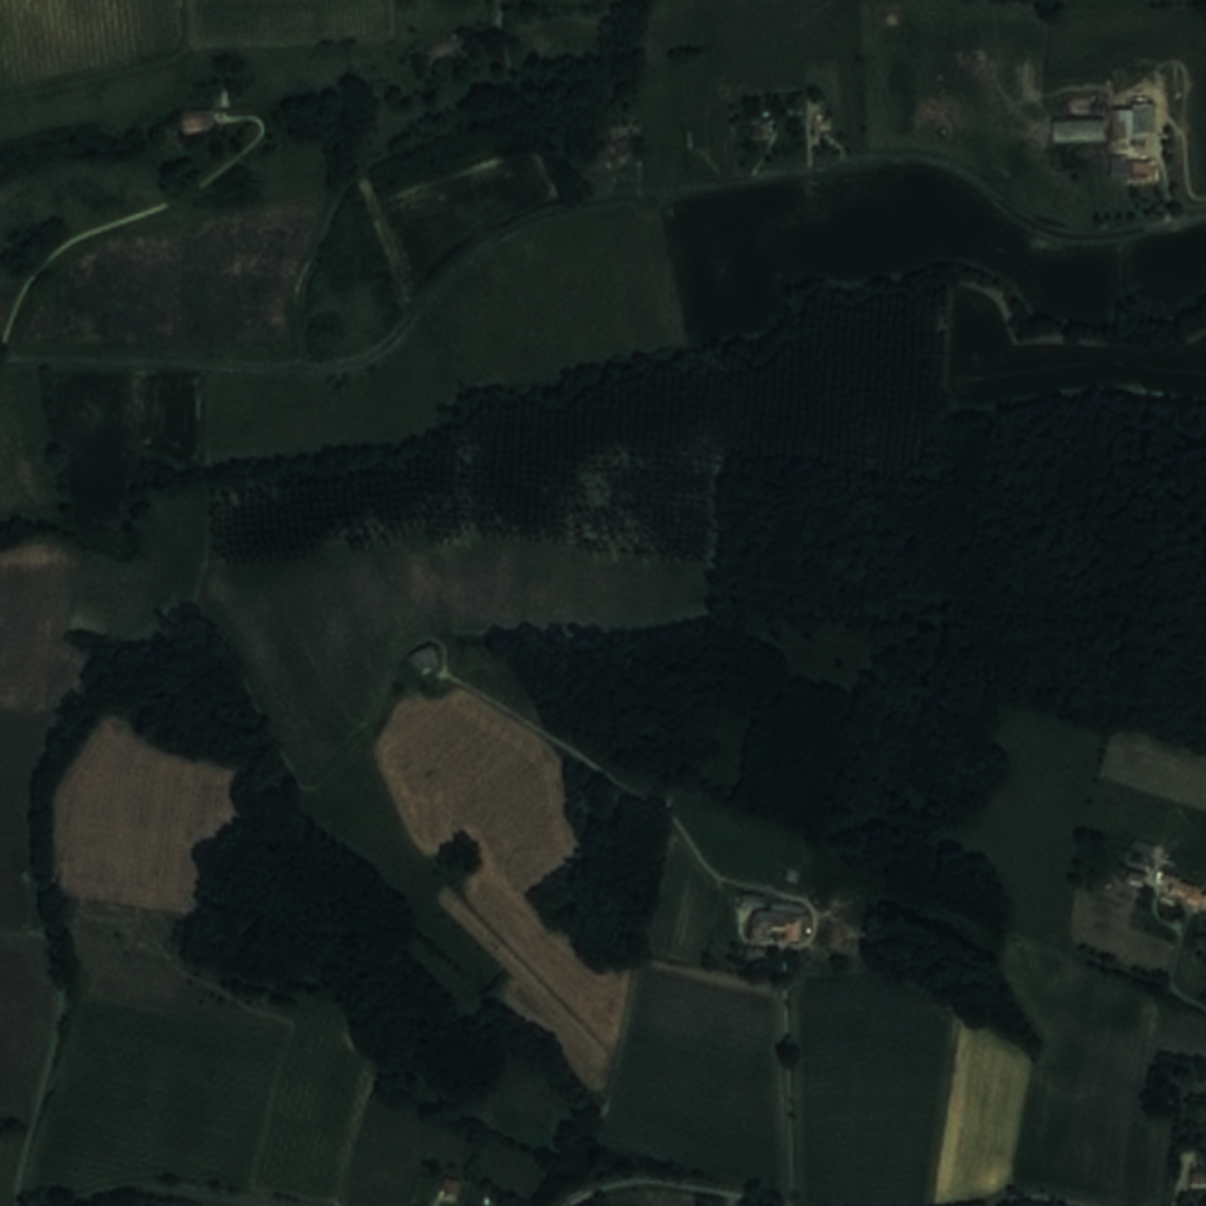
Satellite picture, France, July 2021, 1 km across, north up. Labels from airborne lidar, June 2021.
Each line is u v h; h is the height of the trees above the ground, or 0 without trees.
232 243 0
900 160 0
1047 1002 0
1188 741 17
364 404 0
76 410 0
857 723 24
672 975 0
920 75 0
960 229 0
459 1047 22
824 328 17
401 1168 0
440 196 0
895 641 8
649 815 23
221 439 0
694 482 13
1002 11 0
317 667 0
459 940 0
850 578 14
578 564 0
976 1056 0
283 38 0
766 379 20
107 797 0
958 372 0
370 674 0
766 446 19
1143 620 21
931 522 23
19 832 0
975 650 26
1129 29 0
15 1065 0
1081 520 22
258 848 20
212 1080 0
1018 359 0
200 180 25
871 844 20
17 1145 0
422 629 0
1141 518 27
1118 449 25
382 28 0
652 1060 0
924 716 20
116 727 0
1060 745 0
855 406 16
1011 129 0
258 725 12
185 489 13
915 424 21
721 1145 0
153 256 0
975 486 23
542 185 0
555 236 0
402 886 0
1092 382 0
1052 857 0
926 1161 0
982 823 0
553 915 7
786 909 0
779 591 17
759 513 22
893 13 0
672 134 0
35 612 0
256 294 0
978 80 0
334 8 0
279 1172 0
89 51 0
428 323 0
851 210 0
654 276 0
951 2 0
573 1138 21
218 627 13
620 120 8
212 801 0
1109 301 0
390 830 0
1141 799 0
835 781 15
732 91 0
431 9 0
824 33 0
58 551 0
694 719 23
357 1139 0
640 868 22
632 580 0
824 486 25
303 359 0
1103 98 0
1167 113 0
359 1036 16
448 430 15
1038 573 26
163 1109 0
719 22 0
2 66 0
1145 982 10
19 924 0
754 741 11
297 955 20
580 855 7
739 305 0
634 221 0
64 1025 7
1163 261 0
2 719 0
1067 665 21
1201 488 27
